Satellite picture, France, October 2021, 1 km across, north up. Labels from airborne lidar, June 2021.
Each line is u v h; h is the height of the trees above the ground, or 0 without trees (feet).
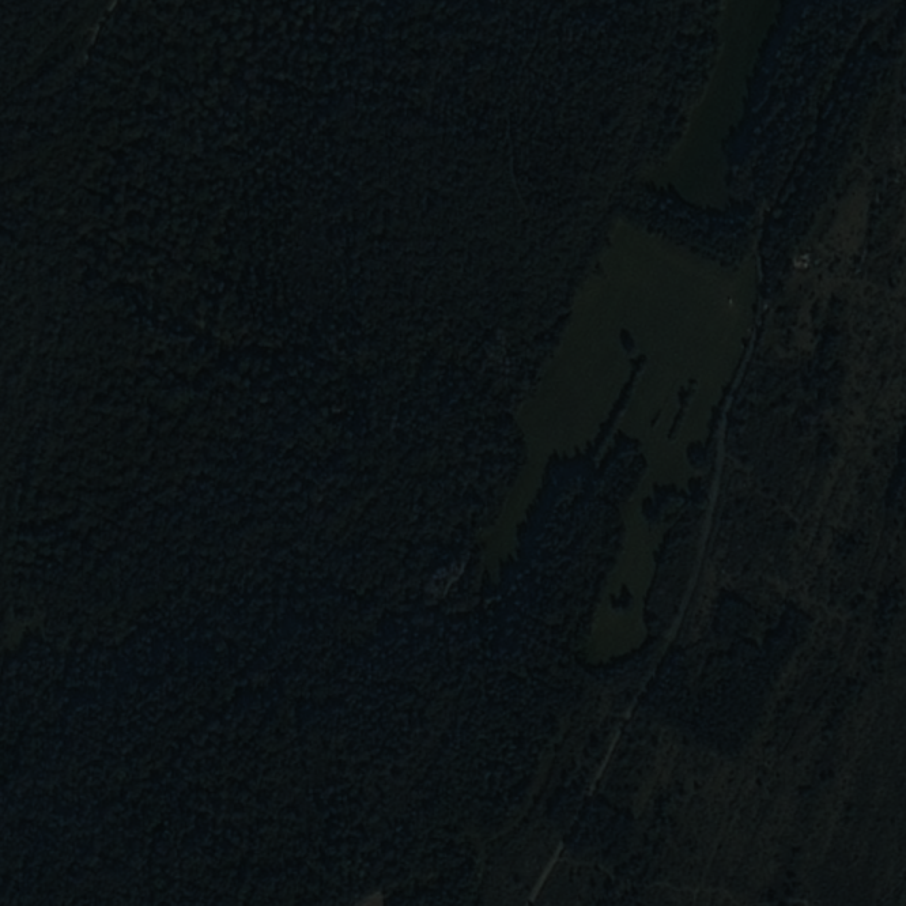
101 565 57
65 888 51
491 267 26
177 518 45
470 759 54
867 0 43
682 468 0
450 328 47
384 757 58
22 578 51
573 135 33
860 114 53
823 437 20
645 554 0
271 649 72
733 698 45
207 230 67
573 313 28
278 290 22
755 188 21
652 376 0
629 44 31
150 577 49
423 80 39
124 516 67
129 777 62
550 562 77
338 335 50
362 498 58
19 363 24
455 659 30
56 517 55
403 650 57
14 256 38
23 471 38
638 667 18
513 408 28
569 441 0
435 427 57
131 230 75
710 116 0
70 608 51
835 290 0
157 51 44
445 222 31
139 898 28
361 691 52
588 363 0
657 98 41
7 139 42
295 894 20
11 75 27
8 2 31
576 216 24
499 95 34
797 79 42
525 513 0
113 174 63
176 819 75
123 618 25
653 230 42
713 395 0
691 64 53
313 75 41
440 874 42
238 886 60
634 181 51
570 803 39
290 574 28
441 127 43
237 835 39
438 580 75
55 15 27
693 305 0
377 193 46
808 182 50
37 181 45
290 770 26
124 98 53
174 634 34
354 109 50
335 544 20
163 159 49
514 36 39
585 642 52
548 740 45
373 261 55
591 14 23
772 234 39
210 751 54
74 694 43
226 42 74
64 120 63
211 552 37
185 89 26
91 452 67
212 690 85
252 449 41
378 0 49
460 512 72
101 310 64
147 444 59
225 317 68
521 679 35
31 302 20
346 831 41
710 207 0
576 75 39
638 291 0
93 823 76
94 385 54
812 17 57
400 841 28
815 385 39
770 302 41
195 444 54
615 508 32
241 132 54
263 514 41
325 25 57
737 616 45
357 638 39
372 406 49
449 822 53
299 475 20
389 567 48
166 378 66
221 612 45
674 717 42
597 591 53
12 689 31
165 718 67
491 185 29
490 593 27
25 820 40
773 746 23
